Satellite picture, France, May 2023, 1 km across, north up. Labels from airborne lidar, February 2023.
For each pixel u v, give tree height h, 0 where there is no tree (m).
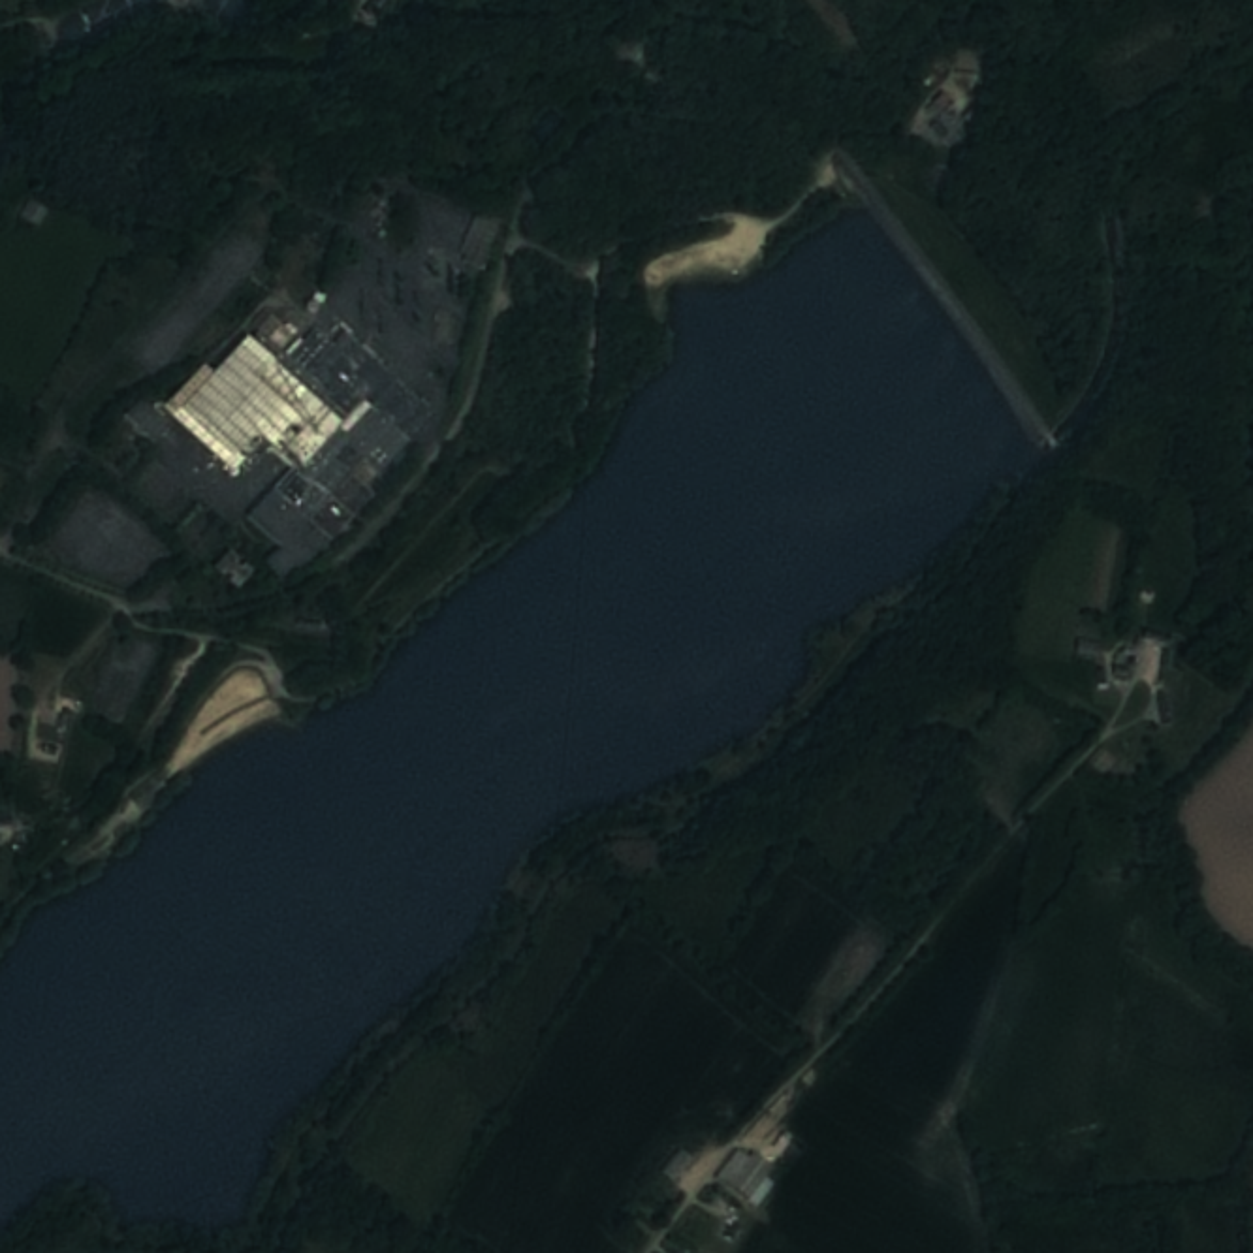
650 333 17
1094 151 12
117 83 25
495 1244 0
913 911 11
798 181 15
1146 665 0
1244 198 10
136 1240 9
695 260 0
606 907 0
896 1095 0
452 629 0
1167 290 17
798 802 19
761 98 21
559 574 0
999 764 0
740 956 0
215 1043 0
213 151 8
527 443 8
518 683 0
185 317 0
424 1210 0
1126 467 0
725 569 0
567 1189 0
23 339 0
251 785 0
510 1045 0
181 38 21
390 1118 0
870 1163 0
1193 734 0
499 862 0
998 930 0
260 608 7
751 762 0
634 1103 0
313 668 15
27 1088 0
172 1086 0
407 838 0
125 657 0
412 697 0
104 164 17
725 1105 0
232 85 26
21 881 8
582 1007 0
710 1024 0
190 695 11
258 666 0
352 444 0
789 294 0
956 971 0
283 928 0
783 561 0
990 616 21
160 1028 0
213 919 0
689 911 0
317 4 22
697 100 19
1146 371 23
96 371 0
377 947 0
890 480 0
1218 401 23
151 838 0
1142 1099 0
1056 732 0
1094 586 0
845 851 0
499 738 0
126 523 0
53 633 0
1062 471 19
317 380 0
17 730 12
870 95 18
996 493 13
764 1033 0
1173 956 0
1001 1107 0
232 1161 0
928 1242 0
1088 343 10
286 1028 0
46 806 0
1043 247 10
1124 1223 14
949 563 17
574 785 0
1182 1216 8
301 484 0
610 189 24
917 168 0
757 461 0
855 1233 0
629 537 0
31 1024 0
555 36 21
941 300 0
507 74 13
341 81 25
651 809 12
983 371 0
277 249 12
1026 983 0
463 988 11
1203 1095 0
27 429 8
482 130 8
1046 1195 7
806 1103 0
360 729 0
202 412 0
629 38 21
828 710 15
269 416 0
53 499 9
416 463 11
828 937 0
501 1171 0
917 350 0
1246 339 7
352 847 0
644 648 0
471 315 8
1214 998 0
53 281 0
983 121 20
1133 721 0
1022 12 9
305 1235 14
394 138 21
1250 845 0
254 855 0
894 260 0
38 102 17
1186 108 12
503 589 0
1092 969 0
